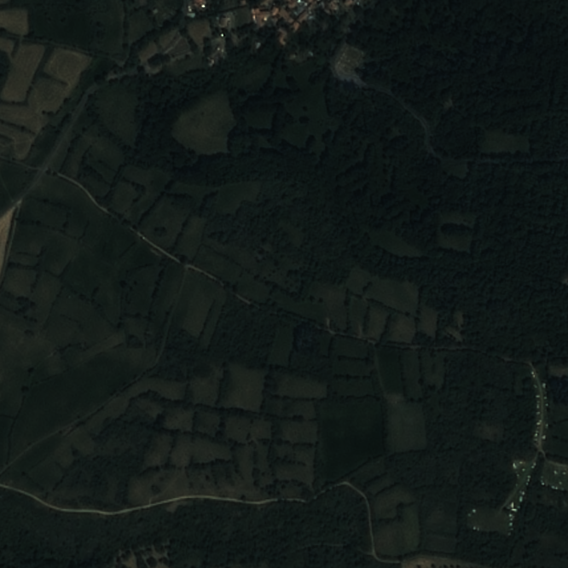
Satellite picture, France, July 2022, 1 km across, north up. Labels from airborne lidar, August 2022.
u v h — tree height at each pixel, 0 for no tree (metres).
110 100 0
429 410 6
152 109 17
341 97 19
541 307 9
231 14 0
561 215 13
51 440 0
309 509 8
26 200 0
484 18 29
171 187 13
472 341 7
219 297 0
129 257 0
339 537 9
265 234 6
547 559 0
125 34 8
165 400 11
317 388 0
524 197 15
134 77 10
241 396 0
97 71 0
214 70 6
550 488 8
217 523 6
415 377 0
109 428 8
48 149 0
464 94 13
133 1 9
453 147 21
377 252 15
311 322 7
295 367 6
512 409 7
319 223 8
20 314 8
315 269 7
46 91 0
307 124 13
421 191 13
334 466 0
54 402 0
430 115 11
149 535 11
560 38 20
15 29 0
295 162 22
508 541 9
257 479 7
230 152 16
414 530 0
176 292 0
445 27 25
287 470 0
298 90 16
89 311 0
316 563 13
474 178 9
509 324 5
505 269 9
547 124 10
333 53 14
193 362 12
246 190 0
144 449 7
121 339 0
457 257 19
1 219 0
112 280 0
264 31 9
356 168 18
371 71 19
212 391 0
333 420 0
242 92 19
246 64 16
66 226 10
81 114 0
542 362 8
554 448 0
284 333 0
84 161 10
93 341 0
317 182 13
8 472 0
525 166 17
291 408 0
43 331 0
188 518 6
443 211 17
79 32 0
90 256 0
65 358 9
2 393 0
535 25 18
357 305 0
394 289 0
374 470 0
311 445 9
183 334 8
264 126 0
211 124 0
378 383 6
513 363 7
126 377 0
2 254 0
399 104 9
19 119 0
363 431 0
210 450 0
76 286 0
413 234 24
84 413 0
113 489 0
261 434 0
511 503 0
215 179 12
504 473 7
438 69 6
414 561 0
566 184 17
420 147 15
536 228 8
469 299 9
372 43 12
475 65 29
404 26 14
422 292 16
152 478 0
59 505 0
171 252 6
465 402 7
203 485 0
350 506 6
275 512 8
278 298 0
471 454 9
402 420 0
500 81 21
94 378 0
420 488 6
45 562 16
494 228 11
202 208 14
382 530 0
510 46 31
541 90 16
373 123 12
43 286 0
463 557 6
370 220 15
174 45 0
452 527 0
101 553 9
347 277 7
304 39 10
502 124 15
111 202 9
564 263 11
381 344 7
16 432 0
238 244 10
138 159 6
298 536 11
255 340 5
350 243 9
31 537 5
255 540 12
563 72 15
